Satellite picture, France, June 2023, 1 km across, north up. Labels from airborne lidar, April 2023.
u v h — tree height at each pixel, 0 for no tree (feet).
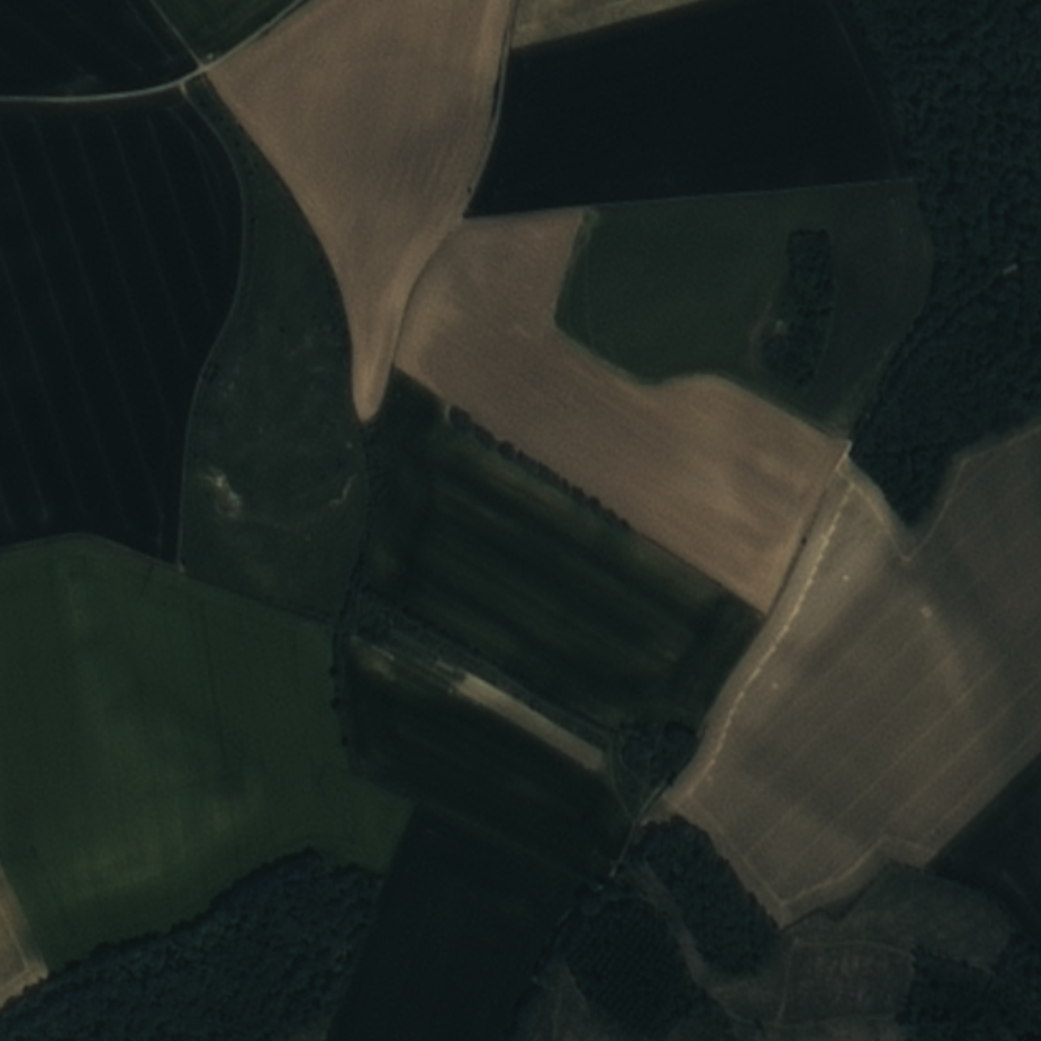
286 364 0
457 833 0
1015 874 0
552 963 38
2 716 0
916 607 0
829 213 0
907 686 0
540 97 0
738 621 0
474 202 0
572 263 0
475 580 0
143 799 0
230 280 0
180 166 0
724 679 0
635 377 0
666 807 0
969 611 0
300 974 64
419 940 0
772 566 0
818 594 0
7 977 0
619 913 75
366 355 0
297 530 0
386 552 0
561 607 0
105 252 0
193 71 0
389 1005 0
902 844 0
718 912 52
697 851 55
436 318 0
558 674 0
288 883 75
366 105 0
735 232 0
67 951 0
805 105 0
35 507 0
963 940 0
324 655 0
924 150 38
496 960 0
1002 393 48
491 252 0
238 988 49
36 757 0
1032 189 74
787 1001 0
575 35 0
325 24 0
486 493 0
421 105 0
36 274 0
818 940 0
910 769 0
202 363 0
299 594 0
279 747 0
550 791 0
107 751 0
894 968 0
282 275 0
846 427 0
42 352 0
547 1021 0
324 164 0
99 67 0
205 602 0
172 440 0
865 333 0
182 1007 73
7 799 0
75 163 0
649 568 0
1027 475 0
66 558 0
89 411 0
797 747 0
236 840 0
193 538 0
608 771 0
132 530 0
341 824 0
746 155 0
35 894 0
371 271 0
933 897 0
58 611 0
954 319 45
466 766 0
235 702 0
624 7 0
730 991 0
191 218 0
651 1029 52
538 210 0
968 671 0
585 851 0
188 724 0
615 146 0
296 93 0
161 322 0
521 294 0
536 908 0
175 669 0
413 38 0
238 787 0
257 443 0
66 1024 50
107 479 0
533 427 0
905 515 33
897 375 40
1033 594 0
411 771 0
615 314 0
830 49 0
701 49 0
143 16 0
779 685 0
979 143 68
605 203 0
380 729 0
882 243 0
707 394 0
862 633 0
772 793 0
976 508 0
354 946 22
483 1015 0
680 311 0
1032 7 58
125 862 0
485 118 0
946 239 68
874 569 0
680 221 0
